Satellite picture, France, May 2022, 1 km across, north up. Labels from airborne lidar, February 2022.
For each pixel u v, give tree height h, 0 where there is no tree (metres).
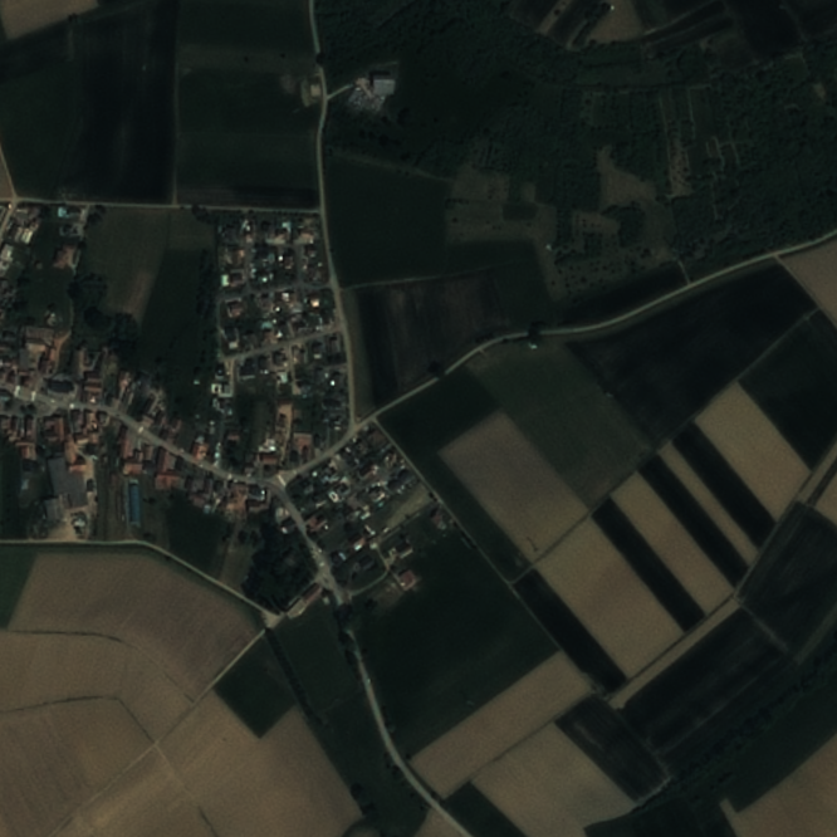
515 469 0
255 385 0
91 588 0
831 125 8
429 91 0
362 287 0
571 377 0
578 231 0
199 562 0
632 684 0
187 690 0
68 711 0
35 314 0
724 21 0
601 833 0
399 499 0
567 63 10
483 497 0
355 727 0
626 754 0
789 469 0
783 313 0
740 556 0
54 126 0
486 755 0
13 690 0
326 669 0
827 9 0
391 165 0
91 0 0
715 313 0
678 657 0
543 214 0
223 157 0
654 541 0
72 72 0
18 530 0
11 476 0
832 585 0
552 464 0
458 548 0
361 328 0
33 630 0
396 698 0
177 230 0
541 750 0
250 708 0
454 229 0
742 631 0
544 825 0
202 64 0
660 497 0
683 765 0
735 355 0
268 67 0
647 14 0
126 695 0
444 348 0
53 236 0
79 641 0
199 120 0
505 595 0
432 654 0
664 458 0
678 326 0
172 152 0
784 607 0
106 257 0
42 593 0
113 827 0
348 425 0
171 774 0
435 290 0
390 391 0
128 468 0
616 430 0
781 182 6
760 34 0
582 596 0
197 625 0
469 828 0
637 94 8
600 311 0
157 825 0
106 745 0
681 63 9
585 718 0
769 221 10
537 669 0
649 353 0
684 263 9
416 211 0
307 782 0
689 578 0
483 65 6
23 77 0
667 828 0
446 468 0
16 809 0
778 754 0
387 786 0
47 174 0
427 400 0
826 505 0
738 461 0
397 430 0
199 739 0
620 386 0
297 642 0
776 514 0
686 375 0
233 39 0
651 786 0
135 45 0
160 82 0
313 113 0
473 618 0
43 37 0
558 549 0
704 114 0
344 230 0
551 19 0
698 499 0
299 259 0
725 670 0
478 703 0
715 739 0
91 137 0
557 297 0
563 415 0
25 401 0
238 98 0
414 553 0
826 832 0
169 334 0
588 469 0
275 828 0
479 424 0
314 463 0
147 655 0
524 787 0
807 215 6
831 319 0
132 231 0
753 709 0
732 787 0
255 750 0
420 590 0
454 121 0
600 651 0
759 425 0
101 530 0
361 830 0
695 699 0
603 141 0
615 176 0
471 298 0
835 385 0
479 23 7
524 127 6
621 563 0
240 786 0
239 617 0
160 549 0
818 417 0
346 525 6
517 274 0
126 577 0
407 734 0
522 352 0
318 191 0
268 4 0
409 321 0
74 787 0
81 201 0
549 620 0
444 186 0
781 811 0
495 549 0
